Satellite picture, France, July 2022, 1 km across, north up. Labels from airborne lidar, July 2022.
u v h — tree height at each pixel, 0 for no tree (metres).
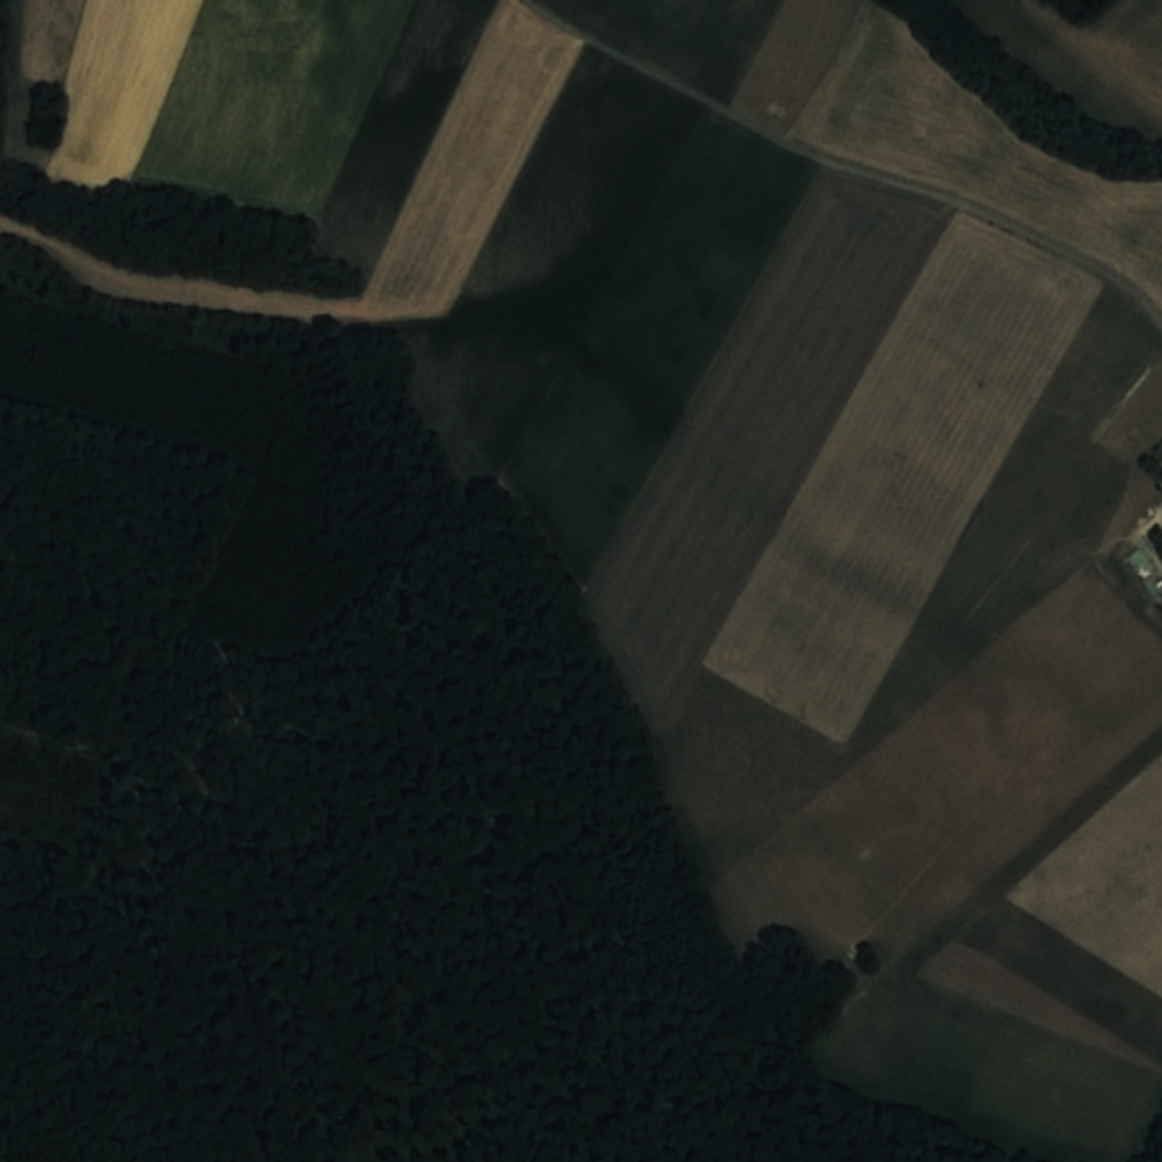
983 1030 0
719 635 0
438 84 0
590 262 0
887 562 0
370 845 29
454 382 0
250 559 9
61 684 29
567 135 0
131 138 0
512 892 31
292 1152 28
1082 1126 0
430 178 0
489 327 0
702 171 0
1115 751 0
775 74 0
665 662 0
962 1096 0
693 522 0
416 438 24
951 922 0
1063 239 0
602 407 0
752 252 0
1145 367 0
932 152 0
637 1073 26
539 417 0
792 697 0
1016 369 0
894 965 0
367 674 32
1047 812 0
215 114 0
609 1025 27
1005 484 0
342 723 29
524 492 0
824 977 21
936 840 0
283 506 8
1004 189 0
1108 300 0
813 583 0
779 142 0
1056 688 0
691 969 23
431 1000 28
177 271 14
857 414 0
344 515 17
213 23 0
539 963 26
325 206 0
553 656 26
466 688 33
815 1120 29
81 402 10
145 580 28
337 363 21
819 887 0
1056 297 0
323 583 9
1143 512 0
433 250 0
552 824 30
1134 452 0
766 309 0
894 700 0
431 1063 24
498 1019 28
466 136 0
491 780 28
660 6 0
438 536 24
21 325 10
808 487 0
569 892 27
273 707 26
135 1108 29
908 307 0
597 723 24
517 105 0
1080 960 0
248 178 0
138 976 29
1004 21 0
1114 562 0
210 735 24
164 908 27
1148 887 0
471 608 27
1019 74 11
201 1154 27
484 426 0
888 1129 28
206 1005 27
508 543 27
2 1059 28
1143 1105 0
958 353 0
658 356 0
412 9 0
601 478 0
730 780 0
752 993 24
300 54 0
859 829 0
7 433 20
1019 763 0
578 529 0
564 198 0
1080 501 0
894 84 0
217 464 27
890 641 0
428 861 29
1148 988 0
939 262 0
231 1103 25
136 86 0
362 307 0
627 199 0
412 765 29
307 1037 25
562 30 0
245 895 26
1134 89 0
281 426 8
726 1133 30
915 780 0
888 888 0
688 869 19
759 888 0
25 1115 29
